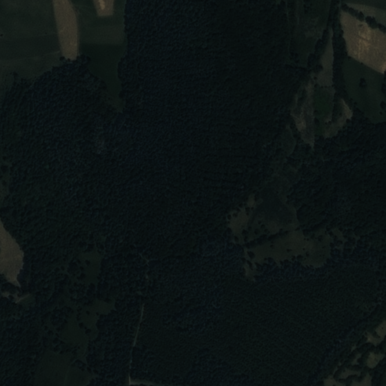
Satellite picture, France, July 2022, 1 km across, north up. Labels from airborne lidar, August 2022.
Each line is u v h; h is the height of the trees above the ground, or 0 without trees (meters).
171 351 7
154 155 18
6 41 0
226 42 22
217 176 22
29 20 0
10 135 11
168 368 7
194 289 24
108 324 24
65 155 24
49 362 0
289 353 7
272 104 22
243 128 15
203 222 17
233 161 18
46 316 20
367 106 0
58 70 15
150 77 18
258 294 8
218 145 20
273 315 7
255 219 0
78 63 12
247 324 7
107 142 27
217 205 15
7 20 0
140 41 26
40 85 17
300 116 0
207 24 13
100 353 7
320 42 16
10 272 0
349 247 15
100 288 21
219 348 7
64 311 13
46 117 16
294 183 0
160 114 18
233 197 32
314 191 11
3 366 21
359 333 17
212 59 18
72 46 0
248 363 6
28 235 8
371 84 0
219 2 23
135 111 25
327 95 0
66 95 24
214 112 14
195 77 21
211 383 22
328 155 15
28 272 19
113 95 0
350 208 9
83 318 0
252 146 19
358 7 0
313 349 6
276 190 0
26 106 20
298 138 15
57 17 0
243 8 23
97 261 0
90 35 0
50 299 20
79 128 25
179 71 16
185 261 23
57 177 19
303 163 11
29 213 20
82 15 0
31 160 19
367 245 16
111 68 0
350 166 21
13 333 23
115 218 23
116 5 0
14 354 23
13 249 0
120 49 0
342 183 24
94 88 29
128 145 26
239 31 24
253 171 23
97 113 26
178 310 6
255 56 24
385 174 14
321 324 6
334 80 13
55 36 0
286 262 11
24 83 7
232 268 31
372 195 18
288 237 0
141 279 21
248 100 20
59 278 14
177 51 18
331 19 17
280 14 23
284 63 17
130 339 10
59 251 21
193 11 24
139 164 25
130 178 17
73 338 0
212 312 16
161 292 19
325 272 15
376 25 17
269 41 22
